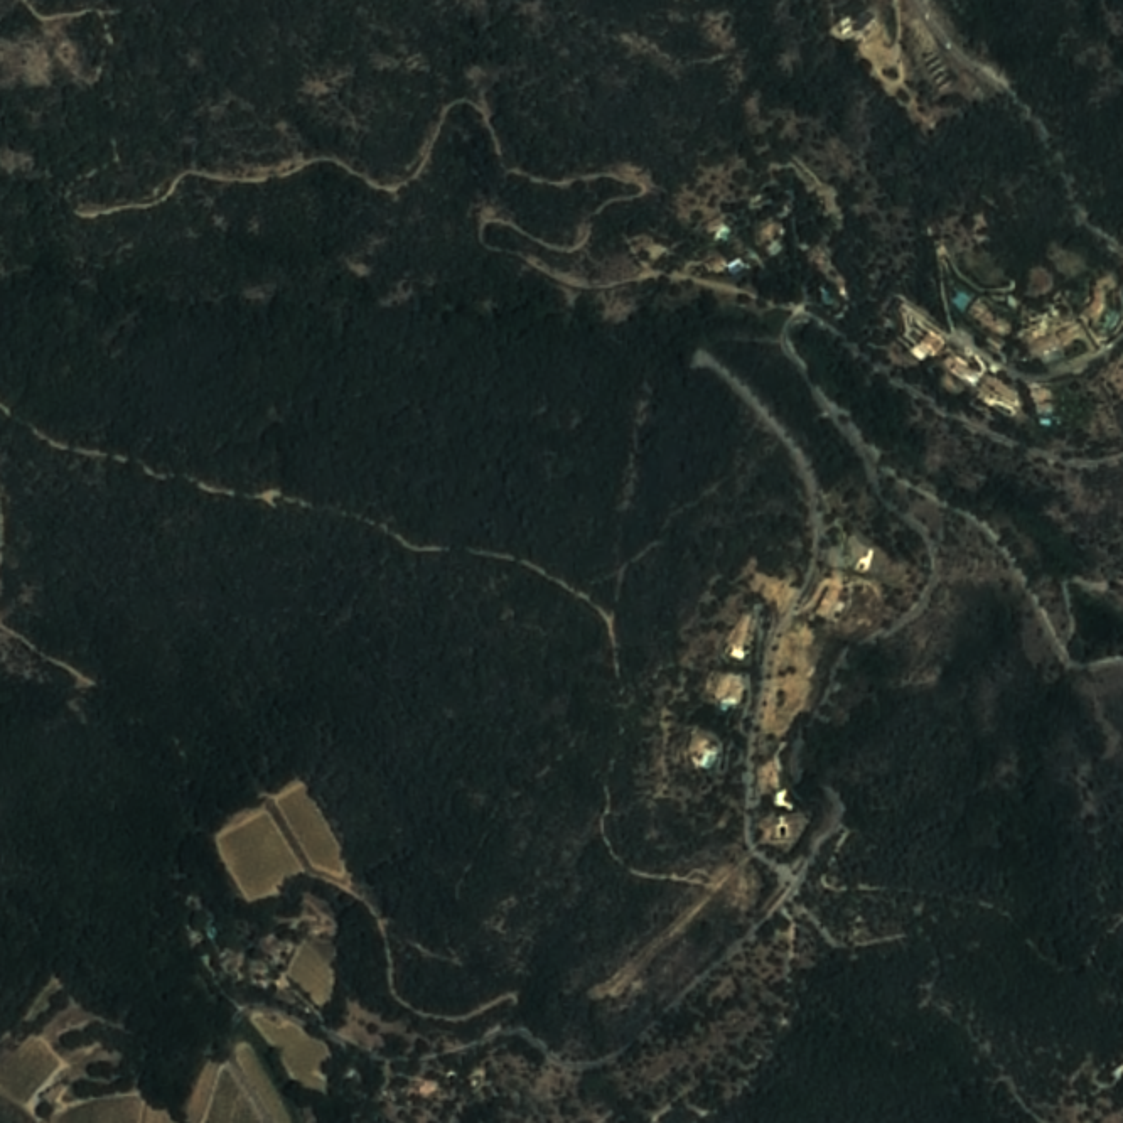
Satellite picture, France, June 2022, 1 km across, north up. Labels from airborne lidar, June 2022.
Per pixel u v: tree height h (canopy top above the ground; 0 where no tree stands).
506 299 14
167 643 6
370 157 8
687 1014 10
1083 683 0
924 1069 10
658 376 8
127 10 8
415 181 7
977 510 10
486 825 6
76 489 10
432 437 10
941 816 7
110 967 10
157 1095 16
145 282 9
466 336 12
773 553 10
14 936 18
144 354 7
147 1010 12
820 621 7
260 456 7
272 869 0
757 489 9
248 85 10
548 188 8
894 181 9
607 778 7
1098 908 7
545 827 8
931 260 8
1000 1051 8
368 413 10
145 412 7
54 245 9
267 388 10
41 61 0
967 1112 11
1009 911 8
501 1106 9
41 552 8
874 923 10
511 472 12
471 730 8
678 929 0
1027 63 6
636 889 7
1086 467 6
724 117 6
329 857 0
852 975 7
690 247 12
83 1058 0
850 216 10
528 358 11
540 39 8
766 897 6
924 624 0
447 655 8
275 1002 9
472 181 8
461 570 6
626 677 6
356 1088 12
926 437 6
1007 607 6
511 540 8
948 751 7
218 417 9
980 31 12
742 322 6
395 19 7
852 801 9
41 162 9
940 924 8
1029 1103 7
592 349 7
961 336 0
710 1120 12
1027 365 7
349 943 10
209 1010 13
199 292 9
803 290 8
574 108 8
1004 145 6
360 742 10
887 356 7
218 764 7
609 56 8
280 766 11
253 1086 0
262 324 12
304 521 9
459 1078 8
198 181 9
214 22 7
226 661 6
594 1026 6
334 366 9
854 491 8
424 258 8
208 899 12
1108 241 10
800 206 9
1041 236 6
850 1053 9
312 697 12
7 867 6
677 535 6
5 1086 0
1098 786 12
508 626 9
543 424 11
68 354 10
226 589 10
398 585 7
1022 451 10
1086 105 7
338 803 7
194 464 8
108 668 7
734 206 8
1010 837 13
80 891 8
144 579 8
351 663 9
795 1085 7
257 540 6
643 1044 9
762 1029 10
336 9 7
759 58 7
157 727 9
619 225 9
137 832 11
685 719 9
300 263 11
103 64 6
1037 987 9
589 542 7
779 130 9
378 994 7
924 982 6
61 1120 0
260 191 8
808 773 10
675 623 10
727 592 8
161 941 15
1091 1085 7
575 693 8
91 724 5
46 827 8
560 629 7
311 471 7
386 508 7
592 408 9
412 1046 8
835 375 9
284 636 11
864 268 7
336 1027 14
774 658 0
